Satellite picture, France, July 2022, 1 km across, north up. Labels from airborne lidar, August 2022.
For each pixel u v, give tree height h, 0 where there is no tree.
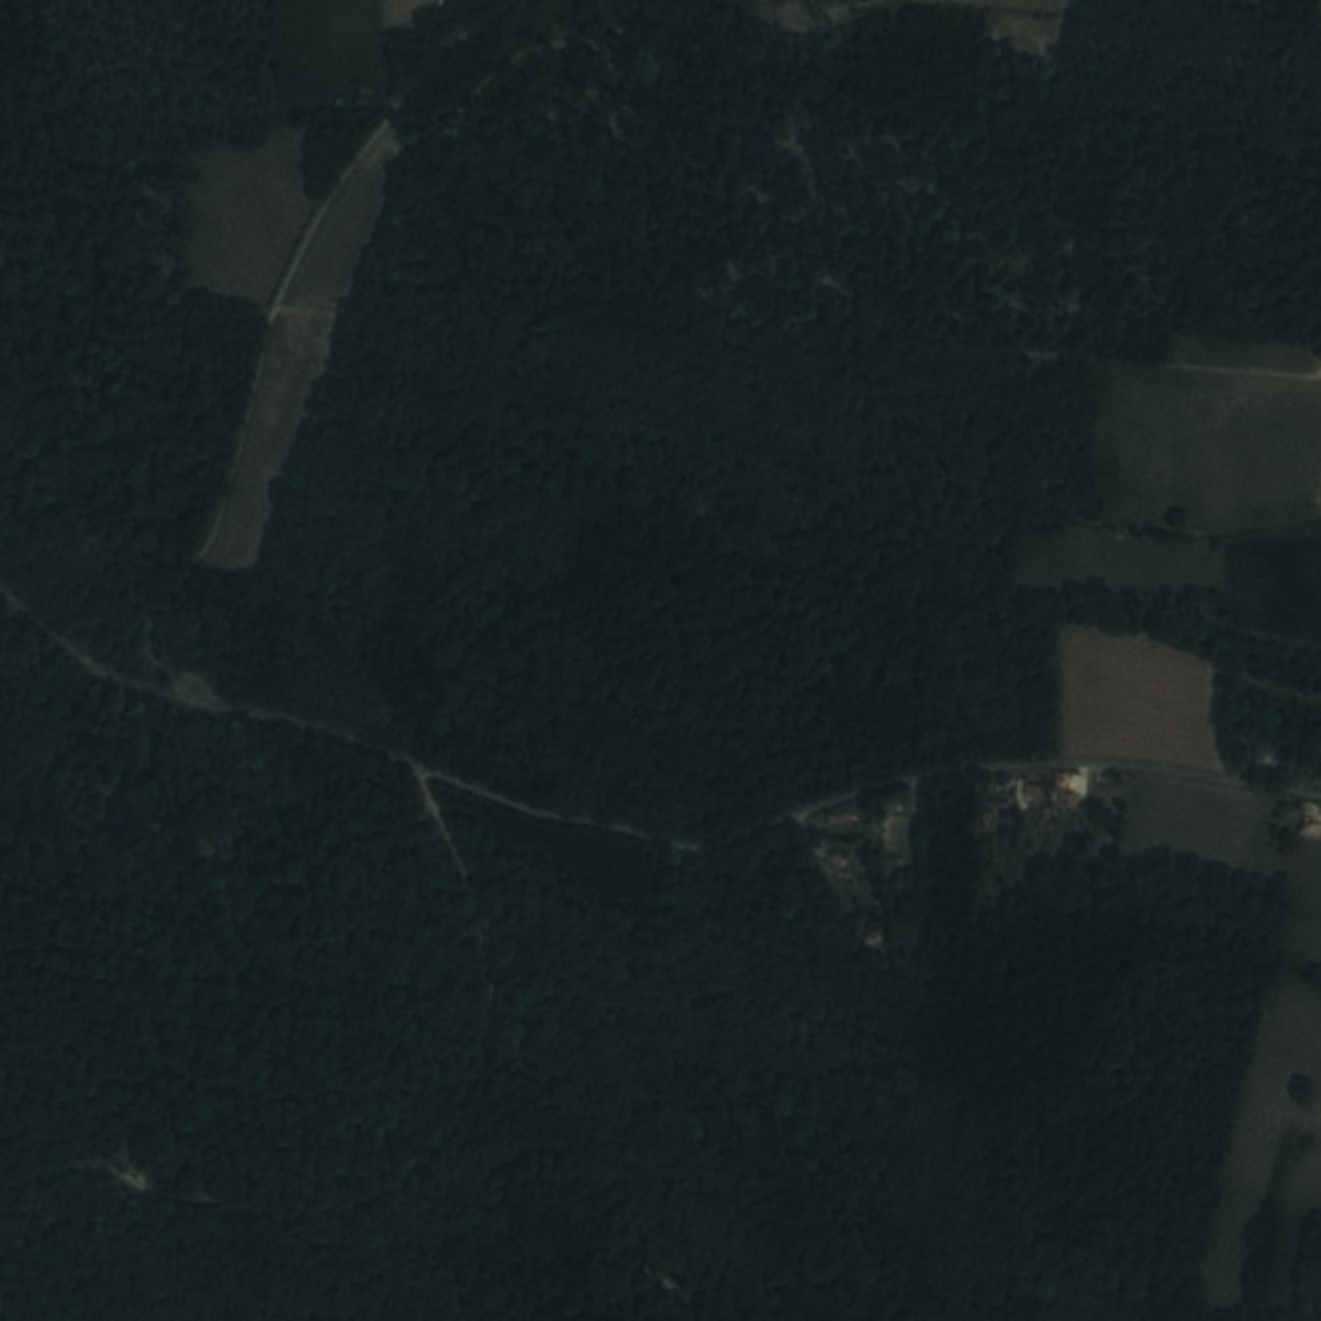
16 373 24
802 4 9
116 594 19
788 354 27
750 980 26
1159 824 0
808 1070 21
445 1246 21
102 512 20
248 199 0
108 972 30
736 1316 26
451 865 20
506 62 22
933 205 24
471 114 16
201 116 28
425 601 26
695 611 21
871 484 24
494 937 18
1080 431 24
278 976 27
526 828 9
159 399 22
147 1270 23
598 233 31
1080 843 26
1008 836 8
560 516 23
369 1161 25
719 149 25
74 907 21
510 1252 19
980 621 27
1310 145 19
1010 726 22
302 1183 24
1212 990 19
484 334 26
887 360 26
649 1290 24
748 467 29
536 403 23
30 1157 25
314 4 0
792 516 22
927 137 9
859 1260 32
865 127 26
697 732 29
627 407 26
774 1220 28
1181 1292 19
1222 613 9
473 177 26
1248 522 0
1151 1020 18
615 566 17
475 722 23
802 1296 29
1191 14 22
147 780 27
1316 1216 12
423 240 27
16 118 11
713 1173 23
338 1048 20
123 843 23
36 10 13
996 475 29
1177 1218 21
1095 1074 22
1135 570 0
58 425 24
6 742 24
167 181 24
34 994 28
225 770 25
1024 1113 21
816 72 27
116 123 33
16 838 21
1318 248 17
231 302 10
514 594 17
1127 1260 25
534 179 26
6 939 22
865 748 23
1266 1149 0
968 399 29
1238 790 0
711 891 22
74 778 19
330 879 19
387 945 24
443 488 25
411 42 17
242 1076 25
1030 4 0
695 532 21
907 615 30
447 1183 22
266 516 0
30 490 22
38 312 29
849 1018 10
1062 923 25
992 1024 23
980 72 27
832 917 23
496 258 28
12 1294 25
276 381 0
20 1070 29
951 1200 27
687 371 24
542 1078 10
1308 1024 0
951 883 24
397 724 22
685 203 26
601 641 19
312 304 0
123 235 29
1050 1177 16
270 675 28
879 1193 27
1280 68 21
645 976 24
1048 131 30
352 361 24
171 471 17
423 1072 24
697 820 17
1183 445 0
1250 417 0
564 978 22
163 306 20
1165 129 31
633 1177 22
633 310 19
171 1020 28
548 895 23
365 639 26
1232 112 19
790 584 14
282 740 17
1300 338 18
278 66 8
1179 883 27
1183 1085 17
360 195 0
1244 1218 0
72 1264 24
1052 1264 27
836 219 23
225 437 18
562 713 28
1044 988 28
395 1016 27
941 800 20
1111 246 24
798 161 22
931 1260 29
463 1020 20
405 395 26
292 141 0
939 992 24
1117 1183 17
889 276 28
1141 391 0
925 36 9
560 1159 23
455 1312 23
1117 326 26
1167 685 0
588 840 9
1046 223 30
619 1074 24
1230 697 18
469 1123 15
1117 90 27
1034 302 26
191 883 30
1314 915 0
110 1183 18
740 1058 30
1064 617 9
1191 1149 19
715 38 28
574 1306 24
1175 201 31
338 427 24
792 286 19
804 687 9
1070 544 0
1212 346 0
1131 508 0
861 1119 25
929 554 27
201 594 24
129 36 30
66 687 24
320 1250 25
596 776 27
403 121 12
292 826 22
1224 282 23
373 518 27
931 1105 23
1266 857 0
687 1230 22
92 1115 25
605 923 21
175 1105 25
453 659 19
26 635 25
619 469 7
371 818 20
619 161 31
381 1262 26
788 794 8
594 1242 17
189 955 28
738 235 28
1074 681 0
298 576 25
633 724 30
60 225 25
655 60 31
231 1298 24
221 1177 23
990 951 26
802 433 29
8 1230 28
